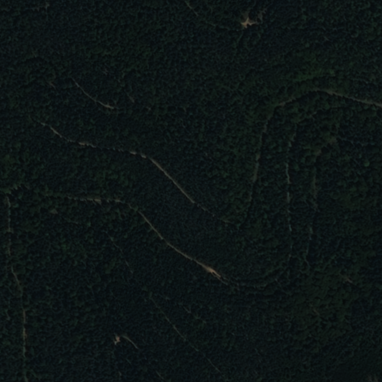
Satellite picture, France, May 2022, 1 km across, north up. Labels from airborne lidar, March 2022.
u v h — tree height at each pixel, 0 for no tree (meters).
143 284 22
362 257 21
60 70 16
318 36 23
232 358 30
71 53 21
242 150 12
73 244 18
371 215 22
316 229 26
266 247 26
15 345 11
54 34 26
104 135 21
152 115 21
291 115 24
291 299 33
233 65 21
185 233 26
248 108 27
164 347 28
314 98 29
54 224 32
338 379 18
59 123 20
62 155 25
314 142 17
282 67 22
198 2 20
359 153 29
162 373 26
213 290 6
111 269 24
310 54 19
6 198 20
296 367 15
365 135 20
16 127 21
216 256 14
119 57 16
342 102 16
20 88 22
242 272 7
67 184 26
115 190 25
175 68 23
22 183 9
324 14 29
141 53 21
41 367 28
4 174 24
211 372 14
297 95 21
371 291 35
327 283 31
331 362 24
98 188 26
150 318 20
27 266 26
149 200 24
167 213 26
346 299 40
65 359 30
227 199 10
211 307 12
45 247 34
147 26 24
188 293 20
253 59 24
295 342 34
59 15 22
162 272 21
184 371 28
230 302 24
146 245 21
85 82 18
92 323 26
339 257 11
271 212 29
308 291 31
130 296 24
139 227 19
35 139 27
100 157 24
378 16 34
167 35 26
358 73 30
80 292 21
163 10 25
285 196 17
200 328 19
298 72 20
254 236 28
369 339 20
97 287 27
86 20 10
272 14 23
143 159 32
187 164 19
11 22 15
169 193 27
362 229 20
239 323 28
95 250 29
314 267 31
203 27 19
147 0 23
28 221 32
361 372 16
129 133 22
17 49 24
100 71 15
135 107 22
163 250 7
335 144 9
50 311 28
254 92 12
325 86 24
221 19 13
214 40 21
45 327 21
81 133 19
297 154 25
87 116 15
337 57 13
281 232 21
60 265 11
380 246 27
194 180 27
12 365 26
